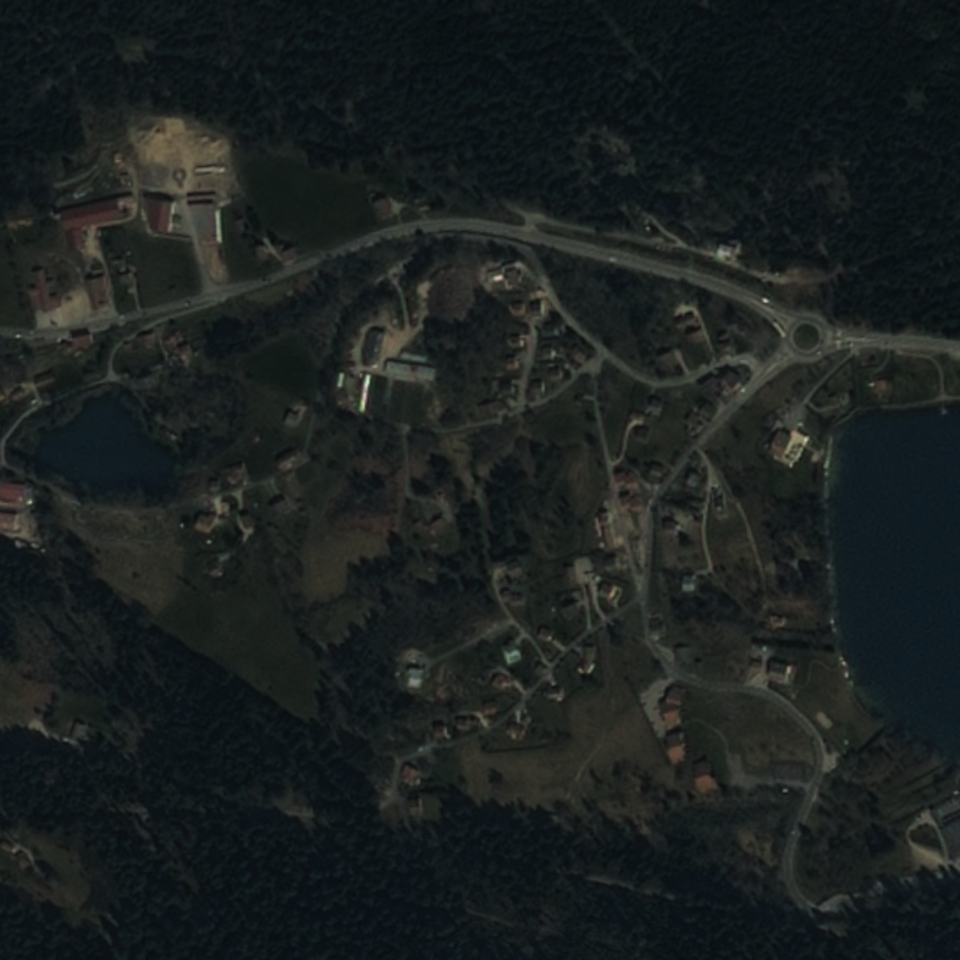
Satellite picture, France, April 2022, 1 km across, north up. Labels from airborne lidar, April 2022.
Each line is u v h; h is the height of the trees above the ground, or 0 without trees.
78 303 0
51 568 5
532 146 29
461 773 0
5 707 0
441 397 0
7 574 27
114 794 14
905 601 0
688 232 7
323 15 22
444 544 0
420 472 0
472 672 0
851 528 0
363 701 24
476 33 23
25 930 23
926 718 0
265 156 18
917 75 13
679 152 26
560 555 0
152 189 0
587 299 13
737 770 0
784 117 28
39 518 8
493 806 0
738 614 19
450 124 30
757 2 21
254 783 27
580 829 19
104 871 0
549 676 0
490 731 0
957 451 0
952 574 0
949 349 0
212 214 0
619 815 0
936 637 0
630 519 0
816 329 0
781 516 13
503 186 25
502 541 10
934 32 8
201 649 0
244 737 40
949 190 22
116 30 23
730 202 6
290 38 18
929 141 21
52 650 0
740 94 28
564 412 0
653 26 14
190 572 0
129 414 0
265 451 0
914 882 0
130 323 0
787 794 16
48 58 34
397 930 26
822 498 11
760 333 11
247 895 11
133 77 31
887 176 28
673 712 0
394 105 31
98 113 7
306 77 28
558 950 9
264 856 34
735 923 33
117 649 9
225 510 0
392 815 0
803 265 13
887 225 20
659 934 36
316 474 0
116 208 0
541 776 0
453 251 10
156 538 0
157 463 0
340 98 31
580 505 0
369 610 0
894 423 0
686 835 14
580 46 14
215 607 0
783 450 0
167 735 27
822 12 25
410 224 0
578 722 0
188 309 0
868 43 24
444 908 15
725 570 7
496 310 15
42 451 0
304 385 0
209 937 34
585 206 27
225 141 0
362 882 30
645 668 0
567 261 10
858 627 0
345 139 29
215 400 26
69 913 0
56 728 13
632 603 0
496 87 36
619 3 19
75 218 0
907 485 0
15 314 0
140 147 0
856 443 0
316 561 0
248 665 0
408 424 0
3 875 0
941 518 0
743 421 0
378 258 14
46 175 11
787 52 27
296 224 0
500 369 0
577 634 0
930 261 24
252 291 0
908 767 16
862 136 28
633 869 42
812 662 0
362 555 0
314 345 15
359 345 0
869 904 17
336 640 0
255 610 0
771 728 0
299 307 18
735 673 0
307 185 0
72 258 0
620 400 0
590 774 0
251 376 9
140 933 36
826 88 25
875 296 15
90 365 10
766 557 0
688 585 0
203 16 25
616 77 31
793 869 0
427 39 24
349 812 24
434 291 0
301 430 0
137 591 0
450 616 7
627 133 31
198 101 25
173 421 12
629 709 0
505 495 17
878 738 6
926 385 0
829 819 11
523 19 13
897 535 0
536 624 0
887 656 0
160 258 0
